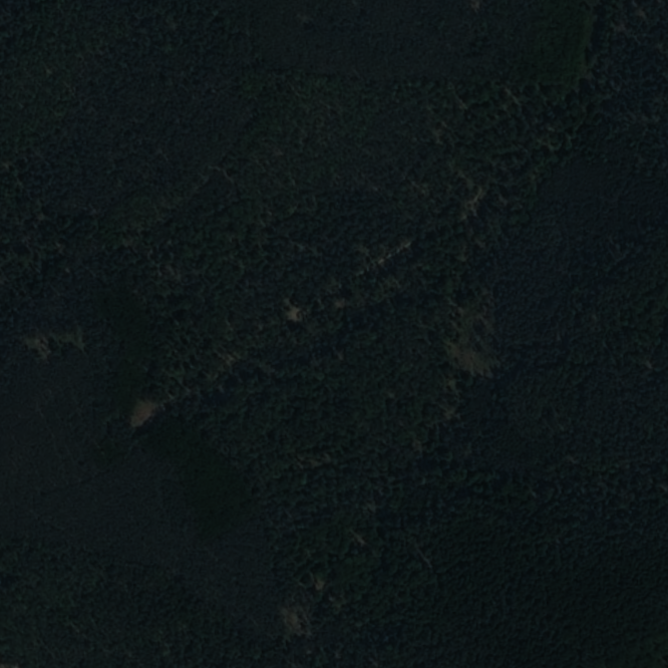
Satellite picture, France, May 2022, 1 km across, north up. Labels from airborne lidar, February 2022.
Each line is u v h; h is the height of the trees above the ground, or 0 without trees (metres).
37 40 25
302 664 23
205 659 27
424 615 24
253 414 27
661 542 26
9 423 14
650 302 24
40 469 18
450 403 32
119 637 25
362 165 26
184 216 8
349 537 26
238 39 22
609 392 30
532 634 25
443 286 33
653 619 25
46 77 22
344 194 28
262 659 11
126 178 19
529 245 27
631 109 27
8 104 21
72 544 21
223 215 22
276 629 23
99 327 24
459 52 20
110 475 21
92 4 21
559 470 13
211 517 20
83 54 22
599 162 15
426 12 23
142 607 25
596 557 21
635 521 19
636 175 13
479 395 15
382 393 29
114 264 20
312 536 25
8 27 29
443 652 28
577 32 23
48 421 17
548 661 20
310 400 30
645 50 14
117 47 25
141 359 23
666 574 21
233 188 6
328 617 28
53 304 22
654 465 7
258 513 18
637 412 26
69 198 27
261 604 18
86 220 21
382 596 29
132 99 20
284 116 19
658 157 9
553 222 20
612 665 23
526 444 18
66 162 20
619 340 27
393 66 21
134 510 20
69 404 16
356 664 28
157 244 11
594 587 25
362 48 22
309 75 19
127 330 18
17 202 25
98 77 25
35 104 20
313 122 19
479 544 21
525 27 25
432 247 26
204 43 18
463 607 25
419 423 30
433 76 22
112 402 22
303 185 24
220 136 21
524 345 20
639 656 22
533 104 27
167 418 19
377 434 32
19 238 10
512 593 26
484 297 31
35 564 29
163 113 20
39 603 30
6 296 10
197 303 31
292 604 26
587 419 23
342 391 26
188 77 16
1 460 16
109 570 26
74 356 18
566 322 21
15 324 29
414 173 29
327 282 17
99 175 20
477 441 11
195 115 17
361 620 25
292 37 21
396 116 21
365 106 20
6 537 18
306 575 23
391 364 31
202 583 19
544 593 27
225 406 33
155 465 20
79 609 25
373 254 33
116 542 20
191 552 21
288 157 17
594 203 15
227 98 21
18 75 24
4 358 22
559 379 27
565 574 30
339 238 26
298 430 29
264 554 21
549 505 36
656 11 22
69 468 18
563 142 31
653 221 9
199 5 25
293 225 31
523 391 30
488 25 23
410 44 26
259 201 30
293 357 9
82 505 21
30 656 23
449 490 21
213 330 30
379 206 33
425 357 30
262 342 27
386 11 22
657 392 30
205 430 33
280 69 26
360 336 29
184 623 26
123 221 21
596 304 25
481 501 24
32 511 18
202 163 18
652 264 30
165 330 20
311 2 20
